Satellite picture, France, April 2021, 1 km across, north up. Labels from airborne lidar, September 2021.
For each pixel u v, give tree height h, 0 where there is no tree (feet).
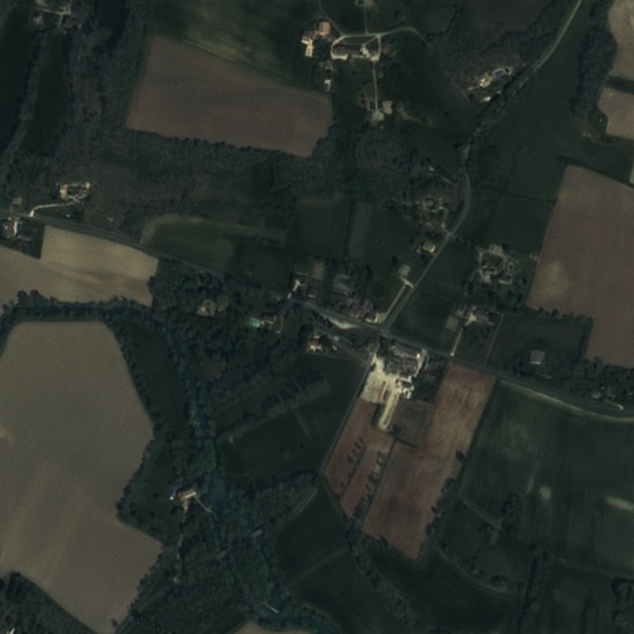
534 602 45
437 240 38
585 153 0
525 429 0
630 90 0
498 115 65
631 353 0
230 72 0
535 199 0
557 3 37
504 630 0
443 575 0
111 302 37
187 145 29
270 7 0
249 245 0
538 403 0
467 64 62
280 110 0
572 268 0
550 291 0
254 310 38
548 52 60
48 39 39
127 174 0
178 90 0
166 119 0
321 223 0
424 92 0
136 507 51
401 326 0
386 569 0
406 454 0
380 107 0
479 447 0
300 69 0
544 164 0
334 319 0
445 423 0
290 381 0
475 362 0
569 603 0
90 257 0
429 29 0
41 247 0
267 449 0
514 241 0
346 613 0
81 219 21
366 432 0
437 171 36
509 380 0
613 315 0
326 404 0
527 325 0
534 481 0
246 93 0
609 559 0
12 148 74
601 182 0
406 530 0
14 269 0
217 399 55
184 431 0
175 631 53
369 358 0
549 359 0
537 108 0
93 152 31
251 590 58
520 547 0
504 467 0
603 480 0
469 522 0
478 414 0
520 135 0
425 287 0
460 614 0
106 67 75
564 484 0
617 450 0
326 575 0
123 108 48
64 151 52
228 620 25
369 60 0
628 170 0
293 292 21
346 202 0
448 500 48
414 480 0
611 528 0
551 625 0
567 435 0
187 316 43
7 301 0
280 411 108
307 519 0
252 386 108
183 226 0
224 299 98
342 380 0
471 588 0
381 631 0
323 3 0
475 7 0
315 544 0
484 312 0
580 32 0
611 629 0
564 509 0
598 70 74
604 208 0
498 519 0
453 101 0
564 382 37
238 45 0
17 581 46
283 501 69
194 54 0
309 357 0
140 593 36
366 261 0
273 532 45
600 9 48
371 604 0
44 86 0
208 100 0
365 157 53
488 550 0
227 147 35
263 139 0
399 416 0
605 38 59
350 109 0
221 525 58
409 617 103
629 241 0
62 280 0
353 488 0
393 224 0
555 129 0
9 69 0
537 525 0
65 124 0
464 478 0
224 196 0
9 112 0
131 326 0
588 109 39
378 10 0
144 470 46
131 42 71
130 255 0
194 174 55
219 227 0
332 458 0
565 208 0
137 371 54
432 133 0
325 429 0
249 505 54
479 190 38
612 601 0
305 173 70
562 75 0
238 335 46
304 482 54
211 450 68
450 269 0
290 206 27
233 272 0
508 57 73
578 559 0
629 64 0
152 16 0
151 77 0
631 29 0
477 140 46
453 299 0
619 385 27
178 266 50
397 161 39
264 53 0
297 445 0
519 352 0
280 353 61
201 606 94
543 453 0
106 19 0
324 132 0
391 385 0
